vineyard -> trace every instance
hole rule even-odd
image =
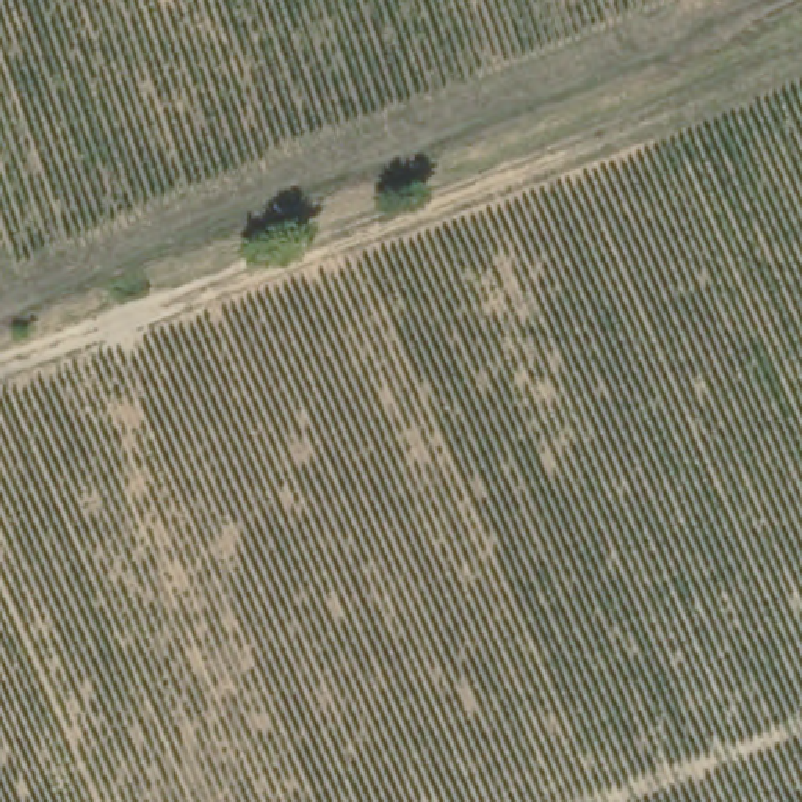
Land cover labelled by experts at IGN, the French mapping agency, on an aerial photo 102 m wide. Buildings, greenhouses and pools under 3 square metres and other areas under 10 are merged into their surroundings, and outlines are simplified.
[[[269,147],[279,147],[285,138],[310,135],[323,125],[345,122],[351,116],[376,113],[388,100],[439,91],[448,81],[467,81],[482,66],[482,44],[501,56],[514,56],[533,50],[536,44],[576,34],[586,25],[602,22],[608,13],[627,13],[636,0],[0,0],[0,247],[13,244],[16,260],[25,260],[47,241],[53,241],[56,229],[66,229],[66,235],[88,232],[100,219],[116,219],[119,213],[150,201],[154,194],[172,191],[185,179],[204,182],[232,166],[244,166],[247,160],[260,160]]]
[[[392,244],[363,254],[357,263],[348,263],[338,273],[320,269],[320,276],[310,282],[294,279],[279,288],[263,288],[238,304],[222,307],[222,320],[216,323],[210,320],[210,313],[197,316],[188,326],[150,323],[147,335],[135,351],[107,351],[97,341],[72,348],[60,357],[38,360],[31,370],[13,370],[0,376],[0,802],[802,802],[802,85],[789,85],[771,97],[758,97],[749,110],[730,110],[717,119],[702,122],[699,128],[689,128],[680,138],[655,144],[648,150],[639,150],[627,163],[602,166],[576,182],[561,182],[551,191],[529,191],[508,207],[448,222],[407,244]]]

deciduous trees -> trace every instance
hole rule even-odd
[[[376,188],[376,207],[392,216],[420,210],[429,197],[429,182],[414,182],[401,191]]]
[[[13,335],[19,341],[31,335],[34,323],[41,320],[41,313],[31,304],[19,316],[13,316]]]
[[[285,266],[313,247],[313,219],[282,222],[273,226],[269,235],[241,238],[244,260],[257,269]]]

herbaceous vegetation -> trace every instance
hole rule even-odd
[[[247,160],[244,166],[232,166],[204,182],[185,179],[172,191],[154,194],[150,201],[119,213],[116,219],[100,219],[88,232],[66,235],[66,229],[56,229],[53,241],[47,241],[25,260],[16,260],[13,244],[0,247],[0,351],[19,341],[13,335],[13,316],[19,316],[31,304],[41,313],[41,320],[34,323],[31,335],[63,332],[66,326],[94,320],[119,304],[107,291],[107,285],[128,273],[144,273],[150,291],[179,288],[191,279],[213,276],[229,263],[244,260],[241,238],[269,235],[273,226],[282,222],[313,219],[313,247],[348,238],[392,216],[376,207],[376,188],[401,191],[414,182],[429,182],[429,197],[454,188],[461,179],[489,175],[501,163],[517,157],[564,150],[564,160],[589,166],[589,160],[605,160],[605,154],[614,154],[627,144],[642,144],[645,132],[655,144],[680,138],[689,128],[699,128],[702,122],[717,119],[730,110],[749,110],[758,97],[771,97],[789,85],[802,85],[802,0],[636,0],[627,13],[608,13],[602,22],[586,25],[576,34],[536,44],[533,50],[514,56],[501,56],[482,44],[482,66],[467,81],[448,81],[439,91],[388,100],[376,113],[351,116],[345,122],[323,125],[310,135],[285,138],[279,147],[269,147],[260,160]]]

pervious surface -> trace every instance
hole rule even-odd
[[[0,351],[0,376],[13,370],[31,370],[38,360],[60,357],[72,348],[97,341],[107,351],[135,351],[147,335],[150,323],[188,326],[197,316],[210,313],[210,320],[216,323],[222,320],[222,307],[238,304],[263,288],[279,288],[294,279],[310,282],[320,276],[320,269],[338,273],[348,263],[357,263],[363,254],[392,244],[407,244],[448,222],[508,207],[529,191],[551,191],[561,182],[576,182],[602,166],[627,163],[639,150],[648,150],[655,144],[645,132],[642,144],[627,144],[614,154],[605,154],[605,160],[589,160],[589,166],[564,160],[564,150],[517,157],[501,163],[489,175],[461,179],[454,188],[429,197],[420,210],[392,216],[348,238],[313,247],[285,266],[257,269],[244,260],[229,263],[213,276],[191,279],[179,288],[150,291],[144,298],[119,304],[94,320],[66,326],[63,332],[31,335],[19,341]]]

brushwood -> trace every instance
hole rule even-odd
[[[119,304],[144,298],[150,291],[144,273],[128,273],[107,285],[107,291]]]

